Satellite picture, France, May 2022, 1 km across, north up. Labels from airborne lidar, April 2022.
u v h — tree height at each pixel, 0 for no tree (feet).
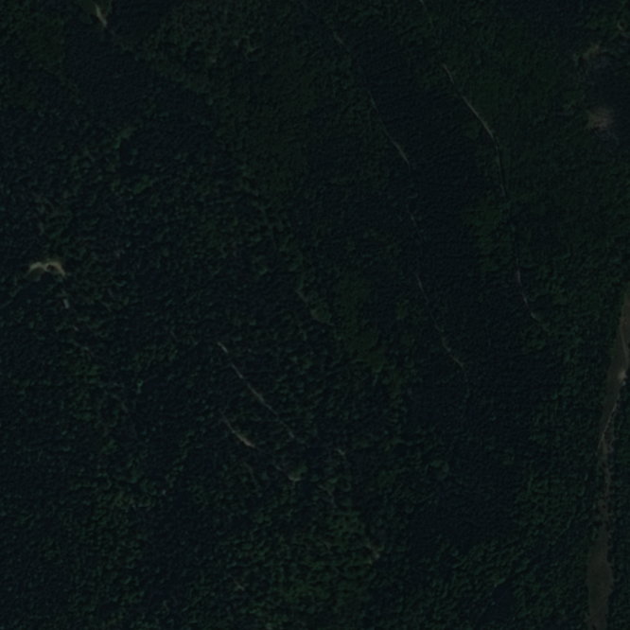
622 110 83
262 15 72
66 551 80
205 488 86
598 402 65
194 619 79
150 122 111
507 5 80
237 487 42
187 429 97
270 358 127
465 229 74
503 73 50
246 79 60
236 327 91
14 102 54
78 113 90
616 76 77
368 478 104
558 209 70
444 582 84
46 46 98
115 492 110
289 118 73
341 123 81
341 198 69
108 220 126
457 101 60
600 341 61
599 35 57
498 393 64
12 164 104
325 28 72
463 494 73
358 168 73
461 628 72
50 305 101
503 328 73
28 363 90
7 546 86
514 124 45
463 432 68
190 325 100
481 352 82
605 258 72
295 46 56
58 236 33
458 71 38
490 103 44
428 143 65
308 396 108
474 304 74
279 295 96
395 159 80
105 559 91
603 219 55
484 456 69
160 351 108
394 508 101
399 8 67
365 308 78
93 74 105
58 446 96
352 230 71
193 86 83
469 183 68
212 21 74
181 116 90
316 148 75
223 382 105
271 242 106
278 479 115
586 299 61
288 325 102
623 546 46
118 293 139
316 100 72
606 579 0
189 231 81
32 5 99
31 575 84
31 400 88
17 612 75
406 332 78
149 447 93
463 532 77
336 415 99
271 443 102
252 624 82
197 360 89
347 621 48
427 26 47
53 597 80
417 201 77
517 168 54
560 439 60
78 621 63
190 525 94
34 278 0
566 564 68
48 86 91
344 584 75
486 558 87
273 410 108
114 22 78
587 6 60
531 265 40
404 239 96
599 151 71
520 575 51
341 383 87
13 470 80
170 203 75
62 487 100
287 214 79
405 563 81
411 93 64
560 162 60
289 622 78
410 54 60
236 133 76
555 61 48
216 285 106
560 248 58
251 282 116
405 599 74
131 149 104
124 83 101
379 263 80
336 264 82
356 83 76
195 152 96
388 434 119
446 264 82
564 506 65
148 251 115
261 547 102
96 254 109
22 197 85
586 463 66
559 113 35
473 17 41
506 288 65
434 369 83
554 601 73
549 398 70
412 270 76
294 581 108
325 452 86
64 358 104
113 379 101
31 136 116
